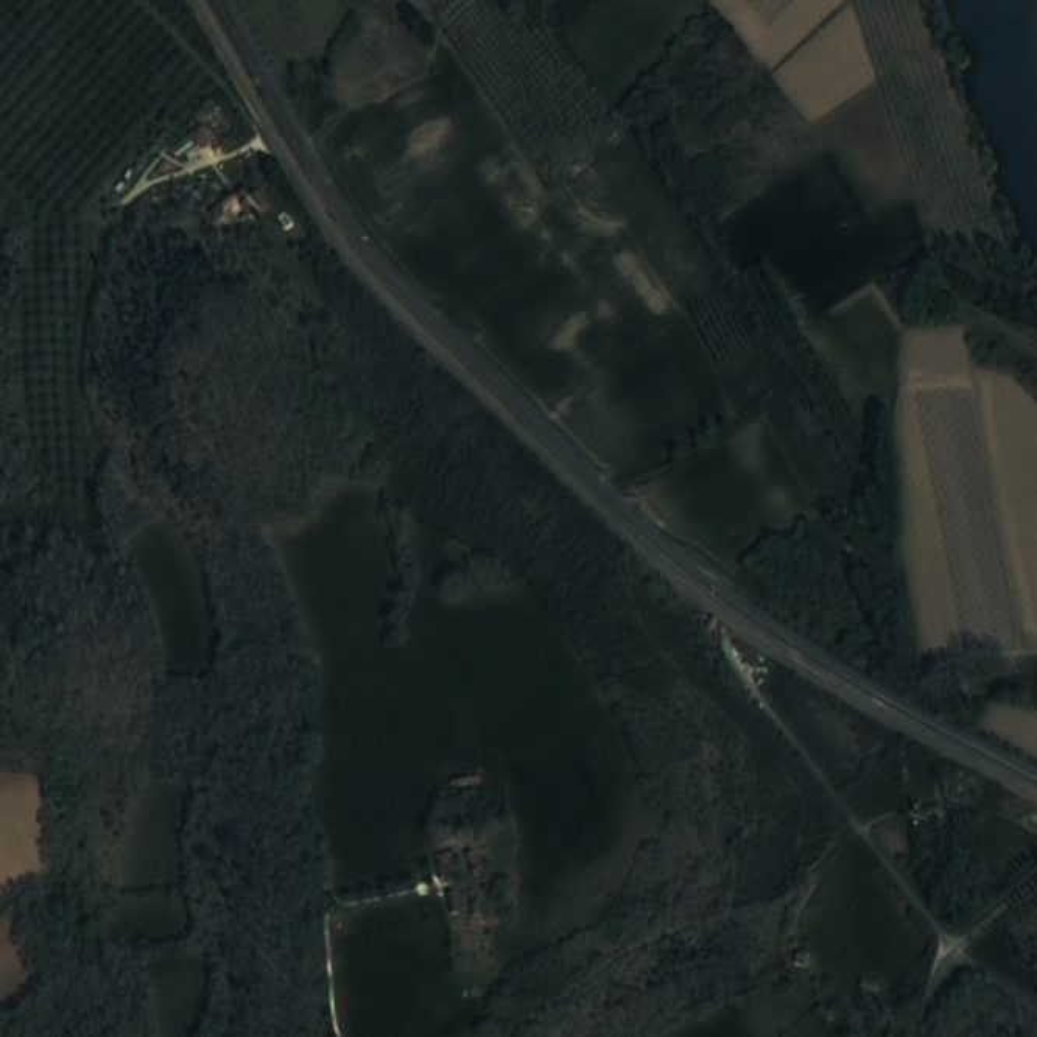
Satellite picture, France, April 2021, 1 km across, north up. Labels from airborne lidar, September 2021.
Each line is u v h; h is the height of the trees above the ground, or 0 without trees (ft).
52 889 27
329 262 45
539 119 82
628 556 72
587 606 22
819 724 0
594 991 59
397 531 68
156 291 26
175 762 78
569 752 0
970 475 0
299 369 62
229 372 47
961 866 69
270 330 58
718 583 0
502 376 0
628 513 0
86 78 36
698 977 39
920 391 0
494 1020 47
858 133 0
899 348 0
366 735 0
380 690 0
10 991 0
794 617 50
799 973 0
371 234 0
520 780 0
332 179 0
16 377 28
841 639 34
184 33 30
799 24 0
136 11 26
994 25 0
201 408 34
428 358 52
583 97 74
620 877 0
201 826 55
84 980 102
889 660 60
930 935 31
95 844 37
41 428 30
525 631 0
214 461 38
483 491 30
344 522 0
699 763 57
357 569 0
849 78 0
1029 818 0
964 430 0
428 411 40
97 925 76
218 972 58
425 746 0
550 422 0
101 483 36
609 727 0
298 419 67
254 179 50
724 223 0
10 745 58
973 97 0
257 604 50
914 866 32
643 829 0
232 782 44
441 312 0
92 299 19
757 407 27
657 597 66
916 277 51
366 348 75
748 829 34
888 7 52
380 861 0
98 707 58
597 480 0
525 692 0
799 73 0
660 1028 67
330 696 0
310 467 69
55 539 83
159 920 0
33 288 25
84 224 32
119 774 60
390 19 0
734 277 57
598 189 0
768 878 31
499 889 55
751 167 0
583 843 0
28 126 36
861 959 0
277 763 64
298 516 61
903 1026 0
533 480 22
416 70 0
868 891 0
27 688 76
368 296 68
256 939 52
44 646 79
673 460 51
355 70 0
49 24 33
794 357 44
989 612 0
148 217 40
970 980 57
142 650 66
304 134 0
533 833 0
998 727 0
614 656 22
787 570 64
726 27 21
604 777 0
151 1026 85
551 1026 65
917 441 0
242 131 30
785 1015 0
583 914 0
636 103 45
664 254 0
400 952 0
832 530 73
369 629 0
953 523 0
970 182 43
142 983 82
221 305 54
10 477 85
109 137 39
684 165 37
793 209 0
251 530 66
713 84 19
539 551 19
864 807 38
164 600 0
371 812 0
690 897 59
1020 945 59
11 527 34
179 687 56
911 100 53
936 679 78
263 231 26
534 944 0
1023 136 0
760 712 23
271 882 43
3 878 0
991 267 82
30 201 27
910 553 0
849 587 97
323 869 57
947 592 0
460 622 0
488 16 92
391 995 0
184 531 37
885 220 0
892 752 30
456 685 0
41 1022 69
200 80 39
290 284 35
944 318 111
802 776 21
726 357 45
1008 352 32
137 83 31
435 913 0
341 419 74
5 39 38
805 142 0
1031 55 0
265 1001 51
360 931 0
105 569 73
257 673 69
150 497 33
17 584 83
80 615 68
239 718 64
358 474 60
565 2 24
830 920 0
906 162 44
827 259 0
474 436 40
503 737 0
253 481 64
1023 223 0
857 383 0
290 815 54
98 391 29
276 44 0
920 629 0
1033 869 64
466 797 35
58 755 59
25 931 77
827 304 0
